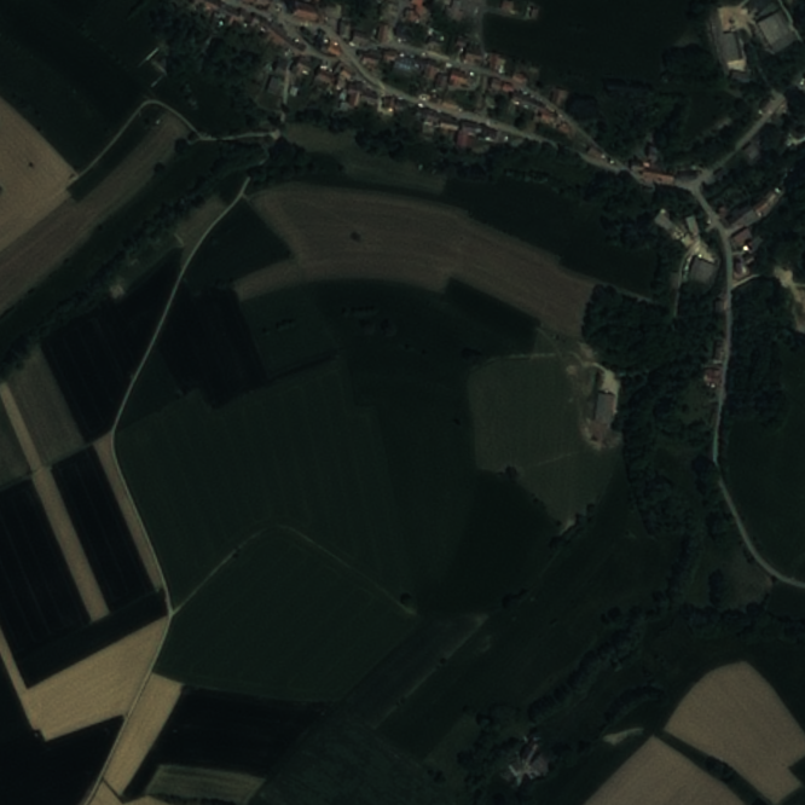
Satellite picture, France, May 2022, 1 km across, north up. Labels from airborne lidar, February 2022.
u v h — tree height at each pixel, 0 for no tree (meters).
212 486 0
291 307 0
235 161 23
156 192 0
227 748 0
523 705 0
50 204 0
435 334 0
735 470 0
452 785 0
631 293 0
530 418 0
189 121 0
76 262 0
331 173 0
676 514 31
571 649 0
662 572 0
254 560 0
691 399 0
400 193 0
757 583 0
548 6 0
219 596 0
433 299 0
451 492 0
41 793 0
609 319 23
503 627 0
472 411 0
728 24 0
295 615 0
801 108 34
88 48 0
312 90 6
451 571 0
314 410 0
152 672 0
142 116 0
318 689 0
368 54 0
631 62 0
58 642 0
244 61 11
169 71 19
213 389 0
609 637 0
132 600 0
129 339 0
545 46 0
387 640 0
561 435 0
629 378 11
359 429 0
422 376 0
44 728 0
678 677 0
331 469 0
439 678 0
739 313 7
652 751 0
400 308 0
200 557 0
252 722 0
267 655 0
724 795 0
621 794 0
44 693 0
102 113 0
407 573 0
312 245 0
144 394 0
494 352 0
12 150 0
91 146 0
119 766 0
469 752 17
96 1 0
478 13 0
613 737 0
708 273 0
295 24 0
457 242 0
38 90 0
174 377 0
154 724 0
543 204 0
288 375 0
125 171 0
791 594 0
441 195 0
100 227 6
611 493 0
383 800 0
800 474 0
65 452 0
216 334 0
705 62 18
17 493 0
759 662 0
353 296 0
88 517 0
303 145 0
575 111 14
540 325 0
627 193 14
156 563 0
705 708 0
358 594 0
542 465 0
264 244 0
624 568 0
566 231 0
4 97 0
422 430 0
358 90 0
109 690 0
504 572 0
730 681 0
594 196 18
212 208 0
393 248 0
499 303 0
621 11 0
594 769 0
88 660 0
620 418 6
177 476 0
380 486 0
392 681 0
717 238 0
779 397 22
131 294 0
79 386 0
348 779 0
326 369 0
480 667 0
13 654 0
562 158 20
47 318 9
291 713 0
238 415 0
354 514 0
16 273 0
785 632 30
